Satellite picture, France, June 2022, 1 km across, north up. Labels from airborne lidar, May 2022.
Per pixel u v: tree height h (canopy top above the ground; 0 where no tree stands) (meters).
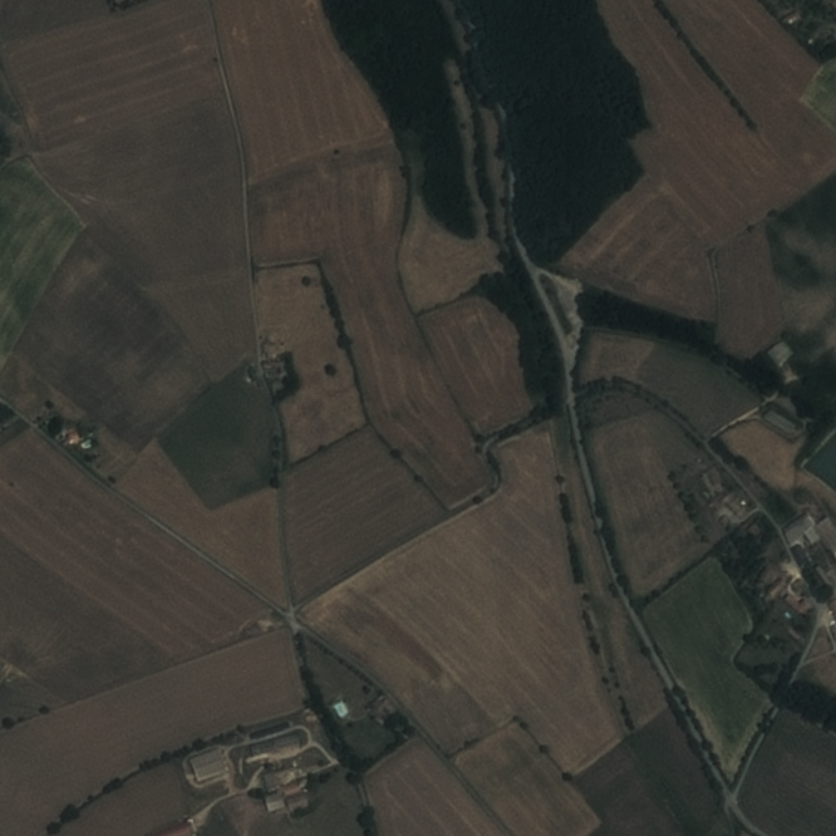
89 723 0
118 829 0
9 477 0
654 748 0
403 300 0
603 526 8
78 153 0
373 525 0
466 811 0
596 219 11
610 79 21
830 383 0
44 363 0
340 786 0
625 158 10
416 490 0
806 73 0
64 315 0
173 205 0
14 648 0
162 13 0
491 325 0
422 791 0
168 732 0
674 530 0
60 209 0
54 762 0
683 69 0
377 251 0
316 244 0
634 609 8
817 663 0
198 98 0
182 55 0
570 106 20
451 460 0
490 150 0
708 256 0
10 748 0
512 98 18
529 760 0
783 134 0
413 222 0
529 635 0
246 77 0
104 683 0
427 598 0
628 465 0
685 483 0
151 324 0
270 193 0
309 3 0
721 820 0
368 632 0
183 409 0
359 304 0
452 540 0
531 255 18
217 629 0
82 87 0
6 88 0
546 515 0
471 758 0
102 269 0
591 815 0
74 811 13
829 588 10
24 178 0
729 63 0
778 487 0
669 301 0
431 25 6
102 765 0
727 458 11
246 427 0
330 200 0
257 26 0
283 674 0
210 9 0
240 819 0
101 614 0
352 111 0
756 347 0
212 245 0
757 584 8
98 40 0
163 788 0
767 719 8
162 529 0
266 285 0
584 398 6
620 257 0
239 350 0
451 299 0
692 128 0
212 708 0
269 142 0
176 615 0
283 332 0
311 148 0
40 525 0
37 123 0
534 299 10
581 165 15
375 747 0
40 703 0
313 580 0
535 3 28
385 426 0
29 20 0
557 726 0
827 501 0
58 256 0
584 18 18
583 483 0
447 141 12
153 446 0
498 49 18
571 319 0
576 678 0
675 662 0
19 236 0
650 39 0
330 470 0
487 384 0
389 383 0
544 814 0
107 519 0
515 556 0
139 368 0
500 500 0
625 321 15
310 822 0
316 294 0
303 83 0
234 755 0
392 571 0
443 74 8
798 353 0
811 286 0
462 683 0
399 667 0
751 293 0
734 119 0
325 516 0
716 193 0
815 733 0
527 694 0
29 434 0
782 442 0
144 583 0
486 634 0
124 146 0
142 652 0
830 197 0
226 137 0
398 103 9
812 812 0
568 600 0
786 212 0
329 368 12
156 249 0
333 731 13
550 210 19
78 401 0
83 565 0
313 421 0
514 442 0
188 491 0
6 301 0
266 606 0
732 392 0
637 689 0
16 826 0
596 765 0
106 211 0
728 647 0
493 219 10
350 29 9
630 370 0
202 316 0
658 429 0
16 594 0
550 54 23
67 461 0
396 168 0
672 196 0
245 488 0
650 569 0
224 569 0
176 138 0
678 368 0
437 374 0
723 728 0
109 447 0
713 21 0
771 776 0
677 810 0
